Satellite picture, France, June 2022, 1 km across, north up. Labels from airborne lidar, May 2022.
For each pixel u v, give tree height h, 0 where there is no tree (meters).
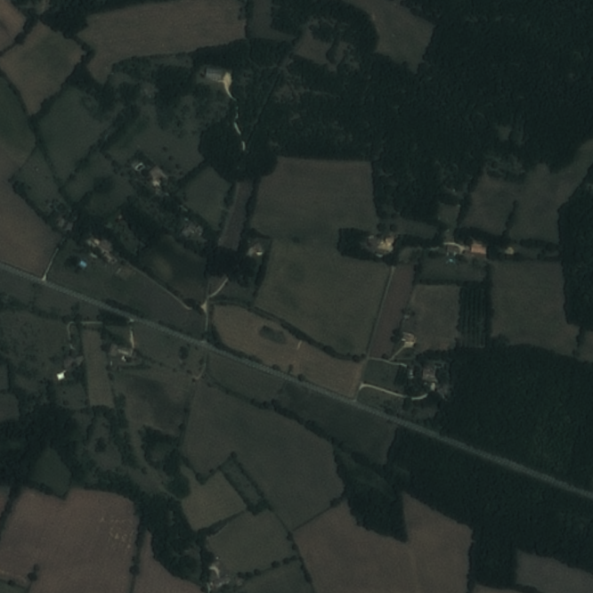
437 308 0
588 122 13
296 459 0
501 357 10
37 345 0
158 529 14
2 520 10
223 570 0
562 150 12
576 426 9
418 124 13
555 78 9
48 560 0
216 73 0
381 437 0
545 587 0
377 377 0
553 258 7
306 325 0
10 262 0
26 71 0
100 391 0
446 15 9
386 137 11
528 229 0
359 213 0
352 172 0
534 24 9
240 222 0
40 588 0
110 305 12
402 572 0
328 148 11
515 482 13
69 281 0
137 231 17
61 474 0
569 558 16
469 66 12
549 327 0
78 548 0
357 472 0
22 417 8
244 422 0
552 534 18
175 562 10
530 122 11
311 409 0
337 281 0
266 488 0
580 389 13
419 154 7
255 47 12
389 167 13
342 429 0
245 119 8
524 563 0
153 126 0
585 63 7
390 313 0
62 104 0
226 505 0
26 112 8
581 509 13
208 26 0
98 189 7
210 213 0
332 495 0
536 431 10
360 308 0
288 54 7
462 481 12
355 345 0
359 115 9
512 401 9
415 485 15
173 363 0
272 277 0
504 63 13
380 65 11
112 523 0
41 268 0
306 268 0
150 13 0
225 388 0
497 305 0
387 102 13
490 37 14
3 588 0
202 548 9
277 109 8
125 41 0
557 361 14
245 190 0
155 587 0
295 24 7
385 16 0
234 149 11
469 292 7
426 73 13
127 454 9
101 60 0
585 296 9
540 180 0
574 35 10
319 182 0
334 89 9
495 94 13
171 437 8
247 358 11
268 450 0
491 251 15
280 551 0
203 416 0
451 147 10
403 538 13
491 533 14
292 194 0
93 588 0
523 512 14
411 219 8
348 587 0
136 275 0
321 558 0
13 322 0
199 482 7
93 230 7
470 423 9
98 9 10
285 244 0
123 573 0
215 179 0
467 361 13
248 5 9
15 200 0
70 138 0
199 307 9
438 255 6
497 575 11
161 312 0
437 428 11
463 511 16
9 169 0
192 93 10
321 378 0
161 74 8
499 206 0
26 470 19
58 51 0
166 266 0
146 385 0
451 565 0
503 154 6
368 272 0
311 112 7
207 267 11
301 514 0
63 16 16
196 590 0
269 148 7
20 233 0
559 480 11
